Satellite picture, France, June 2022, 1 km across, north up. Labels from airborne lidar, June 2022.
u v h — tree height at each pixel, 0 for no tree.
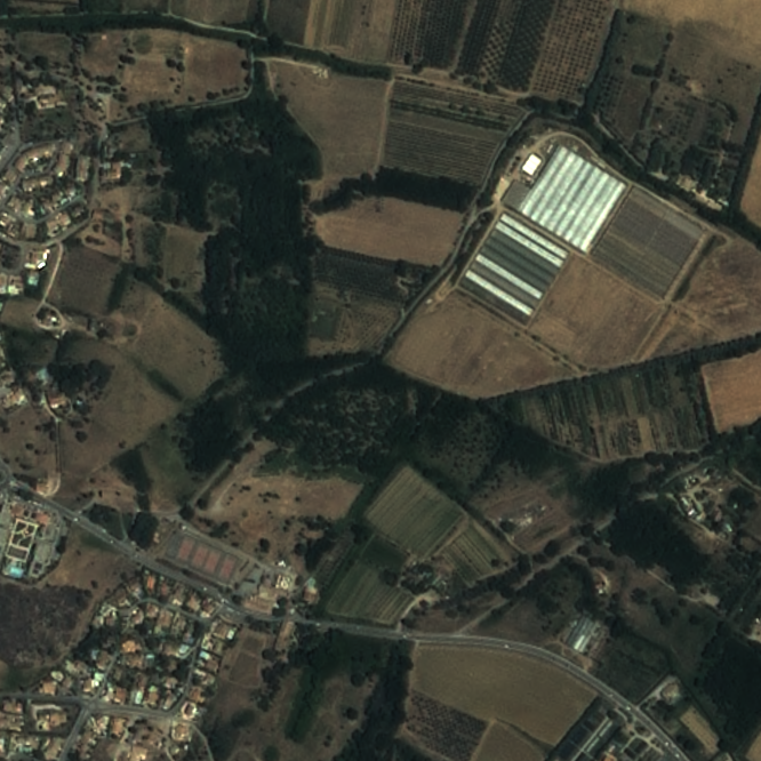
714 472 9
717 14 0
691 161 8
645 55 0
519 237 0
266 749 0
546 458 6
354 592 0
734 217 11
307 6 0
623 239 0
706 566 13
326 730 0
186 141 9
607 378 14
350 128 0
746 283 0
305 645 13
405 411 9
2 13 11
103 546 0
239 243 10
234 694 0
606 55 12
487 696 0
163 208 7
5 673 0
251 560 0
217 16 0
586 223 0
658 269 0
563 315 0
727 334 0
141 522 15
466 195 14
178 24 10
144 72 0
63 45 0
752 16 0
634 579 0
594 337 0
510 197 0
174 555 0
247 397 6
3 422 10
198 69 0
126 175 8
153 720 0
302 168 12
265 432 9
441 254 0
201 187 13
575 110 7
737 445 14
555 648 0
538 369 0
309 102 0
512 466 7
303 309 10
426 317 0
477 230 7
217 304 19
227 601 0
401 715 18
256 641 0
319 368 12
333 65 7
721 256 0
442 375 0
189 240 0
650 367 14
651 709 7
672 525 15
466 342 0
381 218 0
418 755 5
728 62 0
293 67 0
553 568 0
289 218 7
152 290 0
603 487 10
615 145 8
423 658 0
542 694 0
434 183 16
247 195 13
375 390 8
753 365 0
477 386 0
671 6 0
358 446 8
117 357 0
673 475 8
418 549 0
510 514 0
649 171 10
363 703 0
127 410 0
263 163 12
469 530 0
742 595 8
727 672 12
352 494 0
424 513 0
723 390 0
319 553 13
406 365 0
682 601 9
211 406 11
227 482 0
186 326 0
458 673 0
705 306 0
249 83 11
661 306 0
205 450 11
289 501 0
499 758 0
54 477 0
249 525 0
